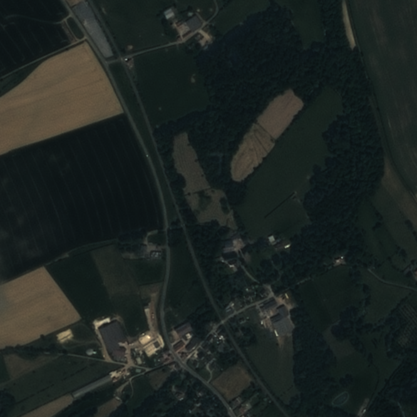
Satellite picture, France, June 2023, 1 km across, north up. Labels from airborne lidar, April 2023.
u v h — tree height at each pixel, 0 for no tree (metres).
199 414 8
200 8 0
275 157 0
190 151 0
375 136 16
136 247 15
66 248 0
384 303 0
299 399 17
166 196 0
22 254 0
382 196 0
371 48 0
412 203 0
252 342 10
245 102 25
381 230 0
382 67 0
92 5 0
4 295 0
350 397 0
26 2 0
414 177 0
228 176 12
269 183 0
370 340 0
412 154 0
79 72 0
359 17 0
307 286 0
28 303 0
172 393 13
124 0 0
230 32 0
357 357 0
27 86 0
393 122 0
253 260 0
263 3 0
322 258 22
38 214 0
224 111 26
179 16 0
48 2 0
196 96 0
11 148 0
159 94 0
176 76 0
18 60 0
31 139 0
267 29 27
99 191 0
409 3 0
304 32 0
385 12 0
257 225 0
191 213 20
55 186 0
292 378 0
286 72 24
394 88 0
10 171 0
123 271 0
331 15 22
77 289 0
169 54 0
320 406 21
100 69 0
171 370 0
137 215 0
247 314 0
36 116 0
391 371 0
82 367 0
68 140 0
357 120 28
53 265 0
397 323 16
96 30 0
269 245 25
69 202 0
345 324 18
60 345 0
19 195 0
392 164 0
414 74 0
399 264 0
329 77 28
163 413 11
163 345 0
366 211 0
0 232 0
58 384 0
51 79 0
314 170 0
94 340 0
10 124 0
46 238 0
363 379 0
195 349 0
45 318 0
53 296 0
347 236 26
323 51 20
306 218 0
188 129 18
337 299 0
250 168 0
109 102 0
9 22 0
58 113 0
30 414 0
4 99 0
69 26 0
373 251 0
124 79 0
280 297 0
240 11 0
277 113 0
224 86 33
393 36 0
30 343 0
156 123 0
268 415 0
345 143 30
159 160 0
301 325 18
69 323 0
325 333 0
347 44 20
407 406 0
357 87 18
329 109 0
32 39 0
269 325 0
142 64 0
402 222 0
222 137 29
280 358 0
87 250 0
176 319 0
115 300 0
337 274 0
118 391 0
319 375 22
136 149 0
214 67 21
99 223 0
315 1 0
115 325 0
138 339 0
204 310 6
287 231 0
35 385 0
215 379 0
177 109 0
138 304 0
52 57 0
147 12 0
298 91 9
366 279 0
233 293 14
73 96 0
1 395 16
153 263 0
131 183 0
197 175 0
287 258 26
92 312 0
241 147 0
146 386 0
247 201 0
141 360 0
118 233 0
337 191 18
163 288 0
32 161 0
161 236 0
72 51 0
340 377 0
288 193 0
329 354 29
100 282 0
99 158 0
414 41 0
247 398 6
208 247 27
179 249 0
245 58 32
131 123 0
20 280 0
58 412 0
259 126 0
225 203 15
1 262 0
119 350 0
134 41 0
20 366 0
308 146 0
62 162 0
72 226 0
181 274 0
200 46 10
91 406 0
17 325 0
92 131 0
